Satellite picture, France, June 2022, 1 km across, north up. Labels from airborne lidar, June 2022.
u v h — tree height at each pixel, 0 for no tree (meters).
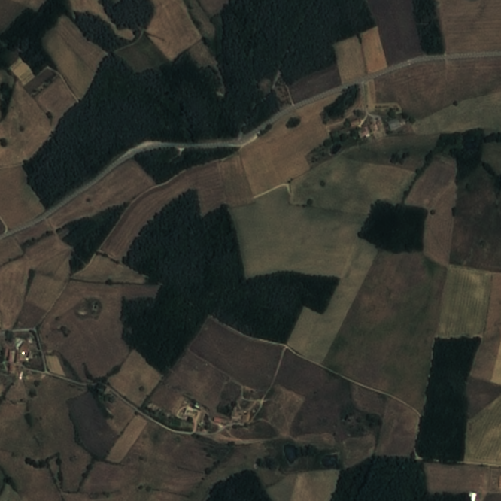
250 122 9
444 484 0
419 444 10
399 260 0
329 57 11
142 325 8
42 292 0
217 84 14
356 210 0
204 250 18
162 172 13
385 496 29
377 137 0
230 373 0
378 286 0
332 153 0
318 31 15
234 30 16
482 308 0
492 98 0
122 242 0
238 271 12
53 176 14
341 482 13
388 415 0
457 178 7
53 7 17
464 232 0
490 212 0
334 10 14
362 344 0
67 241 10
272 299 13
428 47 8
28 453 0
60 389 0
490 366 0
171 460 0
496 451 0
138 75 13
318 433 0
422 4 10
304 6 14
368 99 0
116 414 0
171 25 0
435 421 15
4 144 9
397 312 0
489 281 0
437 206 0
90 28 14
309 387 0
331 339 0
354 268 0
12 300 0
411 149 0
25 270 0
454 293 0
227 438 0
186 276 15
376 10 0
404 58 0
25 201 0
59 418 0
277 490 0
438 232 0
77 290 0
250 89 15
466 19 0
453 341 12
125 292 0
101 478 0
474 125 0
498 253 0
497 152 0
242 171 0
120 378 0
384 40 0
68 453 0
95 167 12
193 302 13
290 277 12
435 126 0
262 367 0
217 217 6
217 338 0
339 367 0
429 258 0
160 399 0
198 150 9
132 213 0
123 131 18
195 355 0
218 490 15
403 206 6
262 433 0
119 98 16
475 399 0
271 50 13
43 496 0
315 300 12
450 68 0
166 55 0
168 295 9
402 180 0
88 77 0
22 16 8
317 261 0
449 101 0
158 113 15
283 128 0
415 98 0
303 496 0
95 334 0
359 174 0
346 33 9
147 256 9
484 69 0
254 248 0
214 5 0
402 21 0
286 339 10
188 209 14
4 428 0
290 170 0
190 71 15
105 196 0
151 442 0
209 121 12
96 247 7
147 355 11
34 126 0
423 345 0
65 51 0
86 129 15
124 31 0
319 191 0
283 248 0
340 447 0
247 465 0
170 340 11
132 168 0
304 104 0
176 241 17
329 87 0
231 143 0
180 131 18
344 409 0
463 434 10
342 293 0
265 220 0
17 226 0
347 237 0
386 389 0
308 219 0
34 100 0
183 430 7
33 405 0
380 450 0
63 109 0
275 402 0
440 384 13
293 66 11
